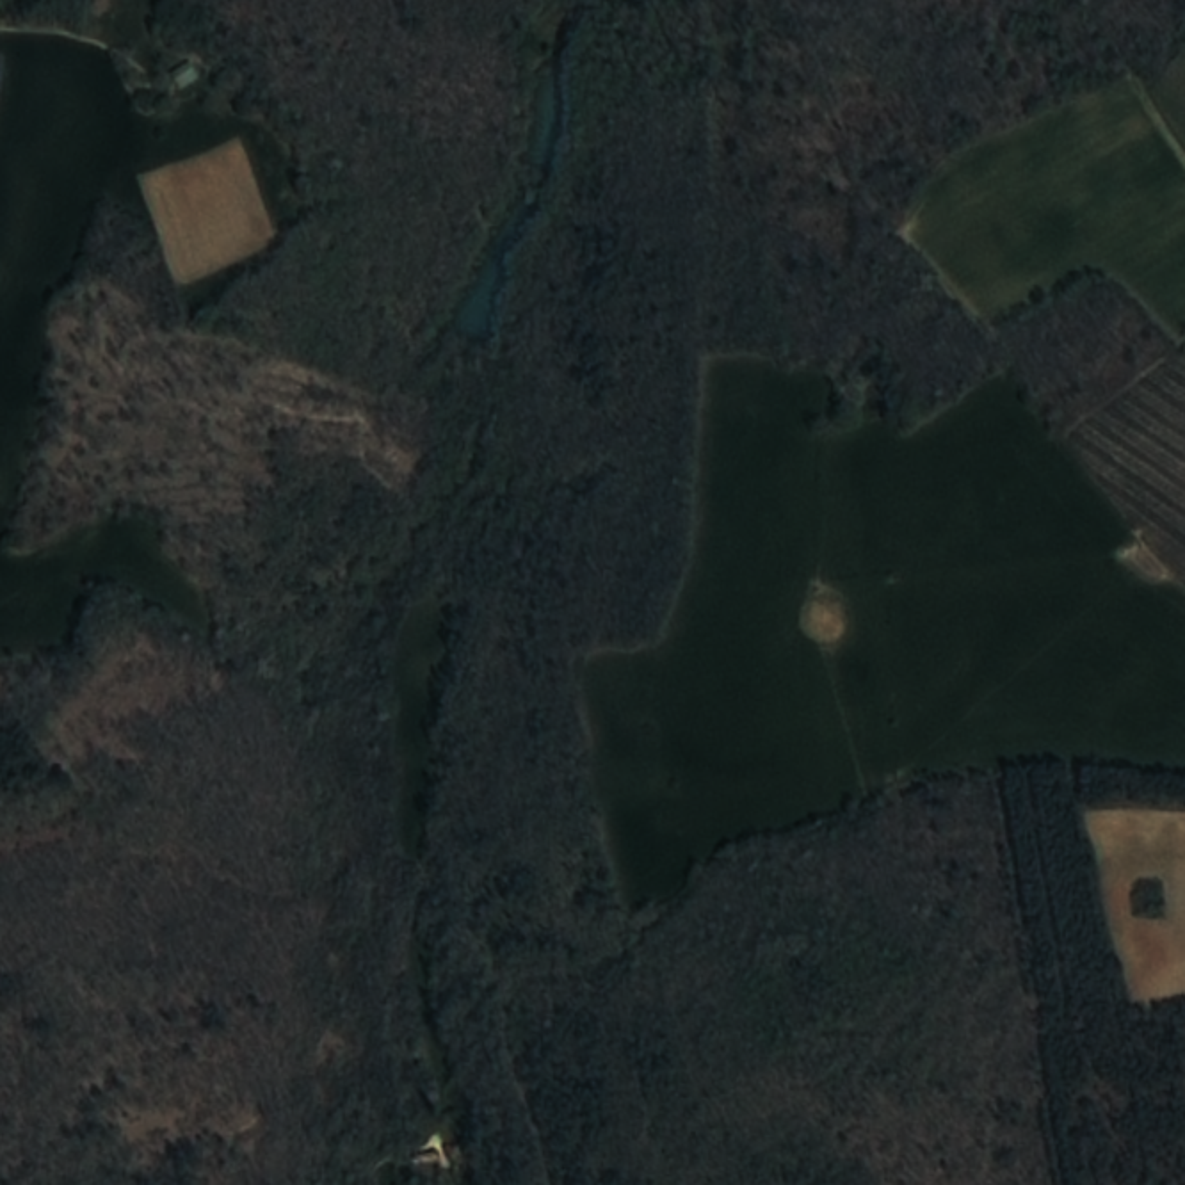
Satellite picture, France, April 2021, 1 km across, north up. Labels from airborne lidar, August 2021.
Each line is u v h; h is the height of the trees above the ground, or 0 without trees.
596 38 22
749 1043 15
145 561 0
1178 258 0
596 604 7
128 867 12
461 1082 15
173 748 15
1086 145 0
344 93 11
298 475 14
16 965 10
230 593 13
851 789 0
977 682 0
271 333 17
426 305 18
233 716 18
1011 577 0
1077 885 16
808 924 10
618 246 11
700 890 12
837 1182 9
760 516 0
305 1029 14
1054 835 16
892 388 21
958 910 14
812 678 0
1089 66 12
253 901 13
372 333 21
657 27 24
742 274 11
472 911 13
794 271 16
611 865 7
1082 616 0
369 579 16
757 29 20
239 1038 12
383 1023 17
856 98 18
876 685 0
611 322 9
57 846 10
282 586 10
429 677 0
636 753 0
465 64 16
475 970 22
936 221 0
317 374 19
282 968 11
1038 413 10
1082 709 0
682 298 10
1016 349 19
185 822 17
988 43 17
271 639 19
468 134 12
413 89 14
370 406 16
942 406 15
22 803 18
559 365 9
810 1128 15
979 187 0
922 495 0
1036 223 0
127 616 14
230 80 16
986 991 16
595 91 22
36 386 11
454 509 18
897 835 6
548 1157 13
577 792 14
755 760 0
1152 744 0
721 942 18
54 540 11
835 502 0
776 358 14
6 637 0
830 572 0
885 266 14
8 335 0
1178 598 0
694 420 12
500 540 11
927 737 0
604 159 15
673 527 14
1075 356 21
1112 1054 21
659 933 13
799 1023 14
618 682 0
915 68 16
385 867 11
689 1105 12
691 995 13
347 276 21
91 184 0
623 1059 10
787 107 16
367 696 16
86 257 14
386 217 17
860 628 0
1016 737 0
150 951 8
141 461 0
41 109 0
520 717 16
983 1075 14
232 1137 0
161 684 0
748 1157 17
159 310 11
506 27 19
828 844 19
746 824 0
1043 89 10
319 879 9
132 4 0
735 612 0
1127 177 0
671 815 0
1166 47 16
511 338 15
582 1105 19
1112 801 16
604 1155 11
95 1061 13
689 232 14
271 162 0
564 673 13
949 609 0
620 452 14
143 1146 0
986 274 0
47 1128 16
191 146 0
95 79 0
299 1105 15
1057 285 0
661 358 8
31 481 11
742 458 0
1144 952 0
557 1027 10
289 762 18
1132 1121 11
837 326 15
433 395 22
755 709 0
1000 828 8
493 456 28
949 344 19
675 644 0
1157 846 0
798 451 0
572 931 18
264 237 0
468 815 9
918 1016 10
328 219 18
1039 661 0
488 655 13
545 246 11
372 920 10
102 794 19
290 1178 14
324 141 18
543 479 17
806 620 0
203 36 16
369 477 11
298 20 9
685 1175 14
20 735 15
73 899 10
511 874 17
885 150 9
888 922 15
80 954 12
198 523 15
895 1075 6
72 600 0
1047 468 0
